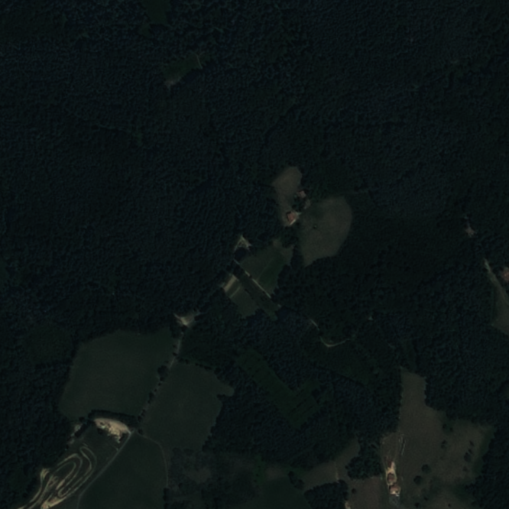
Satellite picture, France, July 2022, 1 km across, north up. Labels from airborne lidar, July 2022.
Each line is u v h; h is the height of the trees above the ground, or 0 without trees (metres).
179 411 0
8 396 16
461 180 24
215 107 28
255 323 28
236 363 12
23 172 22
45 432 19
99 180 22
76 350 13
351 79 25
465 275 19
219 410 0
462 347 33
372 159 24
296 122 33
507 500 11
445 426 9
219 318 20
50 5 31
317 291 7
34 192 23
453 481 0
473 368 33
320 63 29
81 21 18
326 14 28
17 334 30
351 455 0
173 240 28
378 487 0
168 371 12
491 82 32
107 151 25
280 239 8
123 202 32
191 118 28
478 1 27
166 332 0
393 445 0
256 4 29
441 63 27
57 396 21
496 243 26
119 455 0
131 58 25
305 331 6
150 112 19
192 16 34
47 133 13
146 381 0
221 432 16
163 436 0
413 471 0
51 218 24
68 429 17
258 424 29
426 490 0
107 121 33
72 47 28
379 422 23
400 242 11
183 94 22
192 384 0
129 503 0
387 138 27
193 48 34
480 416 22
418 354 15
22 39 24
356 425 17
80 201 23
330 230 0
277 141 22
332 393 13
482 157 28
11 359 10
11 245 27
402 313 27
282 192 0
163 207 28
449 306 22
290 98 27
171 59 15
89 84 28
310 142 14
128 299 25
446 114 26
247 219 31
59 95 22
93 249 36
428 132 27
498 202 31
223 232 32
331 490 19
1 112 24
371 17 21
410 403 0
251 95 30
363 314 14
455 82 31
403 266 13
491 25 8
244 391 24
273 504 0
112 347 0
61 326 33
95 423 13
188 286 20
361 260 7
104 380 0
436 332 21
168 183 29
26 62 22
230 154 28
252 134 24
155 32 25
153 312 18
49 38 21
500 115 20
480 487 15
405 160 28
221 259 27
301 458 9
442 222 14
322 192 15
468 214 6
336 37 28
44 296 24
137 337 0
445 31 25
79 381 0
